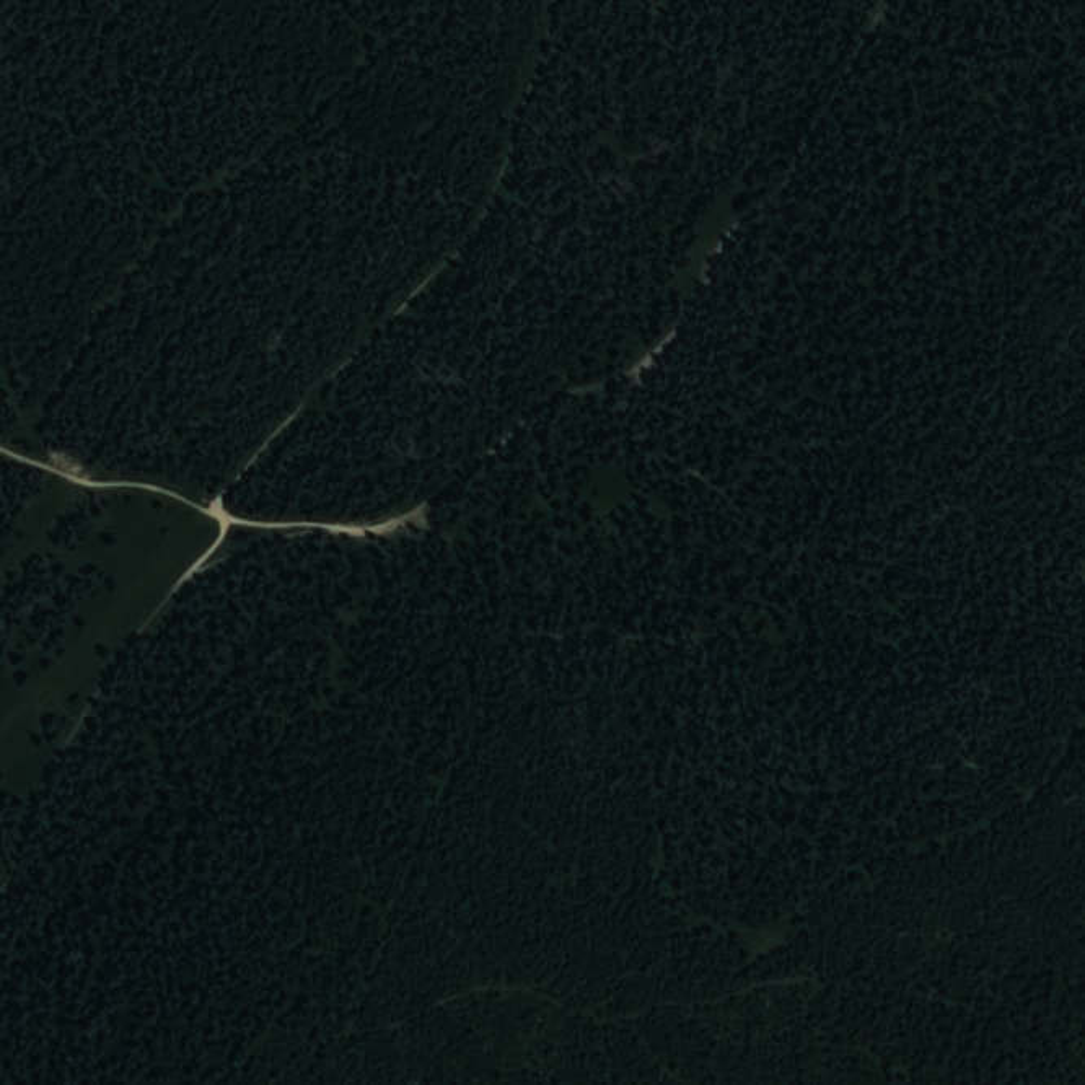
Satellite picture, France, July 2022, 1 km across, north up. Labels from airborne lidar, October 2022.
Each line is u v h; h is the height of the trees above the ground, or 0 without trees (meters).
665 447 9
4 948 34
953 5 34
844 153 26
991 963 14
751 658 15
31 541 0
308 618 9
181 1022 8
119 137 20
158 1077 19
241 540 12
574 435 26
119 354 21
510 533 9
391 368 10
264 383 16
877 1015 17
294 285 27
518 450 24
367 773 12
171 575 0
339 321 18
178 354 27
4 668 10
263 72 14
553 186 29
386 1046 8
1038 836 8
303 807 12
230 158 32
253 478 24
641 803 12
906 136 15
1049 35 9
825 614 13
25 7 16
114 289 19
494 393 27
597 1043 14
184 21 19
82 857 24
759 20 17
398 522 0
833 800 33
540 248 27
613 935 10
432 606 35
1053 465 6
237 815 15
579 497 21
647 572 13
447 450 15
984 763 13
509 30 12
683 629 23
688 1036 8
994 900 10
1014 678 14
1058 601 17
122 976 34
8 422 18
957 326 10
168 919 29
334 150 21
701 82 13
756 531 22
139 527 0
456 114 15
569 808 7
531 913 10
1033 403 10
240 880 28
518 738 7
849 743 7
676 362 21
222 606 10
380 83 20
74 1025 15
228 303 33
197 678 32
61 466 0
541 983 11
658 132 14
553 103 21
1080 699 9
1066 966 6
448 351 17
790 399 29
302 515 7
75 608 23
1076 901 9
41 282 28
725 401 29
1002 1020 10
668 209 12
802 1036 7
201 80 15
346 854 7
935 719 19
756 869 14
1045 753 13
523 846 7
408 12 29
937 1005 10
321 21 21
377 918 6
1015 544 17
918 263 11
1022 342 9
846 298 7
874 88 6
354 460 15
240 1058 16
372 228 14
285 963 13
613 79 17
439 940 7
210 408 18
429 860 11
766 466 18
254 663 17
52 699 0
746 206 20
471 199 9
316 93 20
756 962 12
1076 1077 9
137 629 0
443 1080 7
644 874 11
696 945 8
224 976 20
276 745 28
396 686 15
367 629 14
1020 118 24
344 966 16
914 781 15
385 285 17
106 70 25
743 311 21
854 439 19
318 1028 7
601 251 21
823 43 22
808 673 6
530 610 7
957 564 11
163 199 14
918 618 19
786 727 10
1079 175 23
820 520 32
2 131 26
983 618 17
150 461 19
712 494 22
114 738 28
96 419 16
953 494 8
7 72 19
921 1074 15
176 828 20
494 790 9
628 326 20
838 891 11
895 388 19
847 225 38
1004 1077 13
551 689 11
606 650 31
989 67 37
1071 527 10
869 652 8
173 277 12
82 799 9
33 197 24
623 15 21
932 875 9
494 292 15
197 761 10
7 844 26
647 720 11
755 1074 8
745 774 10
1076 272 7
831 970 8
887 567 9
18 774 0
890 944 9
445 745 13
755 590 17
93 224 22
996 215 20
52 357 18
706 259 0
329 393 19
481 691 14
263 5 15
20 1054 32
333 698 18
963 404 12
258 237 18
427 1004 8
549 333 16
